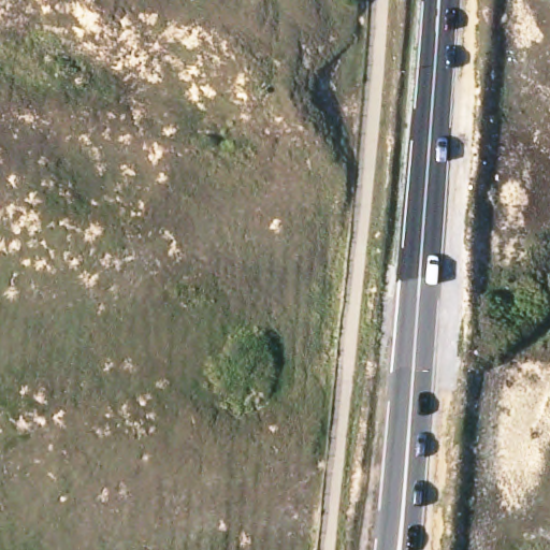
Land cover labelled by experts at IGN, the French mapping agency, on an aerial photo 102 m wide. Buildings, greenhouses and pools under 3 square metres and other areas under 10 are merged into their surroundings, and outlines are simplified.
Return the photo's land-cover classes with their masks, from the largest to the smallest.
<instances>
[{"label":"herbaceous vegetation","instance_id":"1","mask_svg":"<svg viewBox=\"0 0 550 550\"><path fill-rule=\"evenodd\" d=\"M58 2L67 0H28L26 13L32 15L26 24L17 26L15 30L0 26V206L17 204L30 213H37L41 219V228L37 232H13V226L9 221H0V550H312L309 531L314 522L316 494L320 490V483L324 481L318 462L324 460L327 449H331L337 410L344 320L350 299L359 159L350 146V127L344 125L342 105L350 97H354V101H361L367 95L374 0H92V13H97V19L110 26L112 30L122 32L120 19L129 17L138 34V45L146 56V69L153 73L155 60L161 67L159 82L142 79L135 67L116 71L125 82L131 84V95L120 99L122 103H131L129 112H101L99 122L92 125V114L88 110H73L71 105H67L58 110L56 101H45L37 95H30L26 90V84H39L49 90H58L60 77L67 73V69H62V56L82 54L77 52L79 45L75 34V26L79 24V19L71 13L56 11ZM170 24L178 28L198 26V45L187 47L178 41H168L165 28ZM238 73L245 75L249 120H241V107L234 103V82ZM191 86H211L215 90V97H200L204 101V110H198L196 103L189 99ZM254 333L266 337L269 352L273 357V378L269 391L262 397V410L254 408L251 404H245V395L228 391L226 387L219 393H213V385L204 374V363L219 359L226 337H232L236 344H241L247 335ZM415 0H389L376 172L365 249V273L361 288L359 337L346 430L335 550H346L354 518L352 513H348V503L359 417L361 408L376 406L378 387L382 378L380 342L385 322L387 271L395 236ZM524 4L531 9L537 21V28L546 34V39L533 41L529 47H516V43L511 41L507 45L503 84L505 120L501 129V155L498 170L494 174V183L498 187L488 191V202L494 208L496 221L507 215L505 204L501 202L503 185L522 174L526 159L531 161V189L526 191L529 202L524 206V226L503 230L496 223L492 234L505 243H509V238H516V249L526 251L529 256H544L546 251H550V0H524ZM516 361H537L550 367V316L533 324L526 335H520L511 346H507L501 352L503 365H513ZM471 507L475 513L471 529V550H550V468L541 475L539 486L526 492V507L513 511L501 505L498 483L488 479L481 471H477L475 494L471 496Z\"/></svg>","mask_w":550,"mask_h":550},{"label":"impervious surface","instance_id":"2","mask_svg":"<svg viewBox=\"0 0 550 550\"><path fill-rule=\"evenodd\" d=\"M492 0H415L395 236L387 271L385 322L380 342L382 378L378 387L376 406L361 408L359 417L348 503V513H352L354 518L346 550H451L453 505L460 464L458 432L464 415L466 376L462 370V361L458 357L460 320H464L471 314V290L473 204L468 200L479 165L481 79L486 69V52L490 45ZM324 481L320 483V490L316 494L314 522L309 531L312 550H322L331 449H327L324 460L318 462Z\"/></svg>","mask_w":550,"mask_h":550},{"label":"bare soil","instance_id":"3","mask_svg":"<svg viewBox=\"0 0 550 550\"><path fill-rule=\"evenodd\" d=\"M28 0H0V26L15 30L17 26L26 24L32 15L26 13ZM56 11L71 13L79 19V24L75 26V34L79 45L77 52L82 54H88L95 62H103L107 69L116 71L135 67L142 79L159 82L161 67L155 60L153 73L146 69V56L138 45V34L129 17L120 19L122 32L112 30L110 26L97 19V13H92V0H67L58 2ZM511 6L503 13V26L507 28L511 41L516 43V47H529L533 41L546 39V34L537 28V21L531 9L524 4V0H509ZM198 26L178 28L170 24L165 28L168 41H178L187 47L198 45ZM234 103L241 107V120H249L245 75L238 73L234 82ZM215 97V90L211 86H191L189 99L196 103L198 110H204V101L200 97ZM367 95L361 101H354V97H350L342 105L344 125L350 127V146L359 159L365 131ZM531 189V161L526 159L522 174L503 185L501 202L505 204L507 215L496 221V223L503 230L524 226V206L529 202L526 191ZM0 221H9L13 226V232H37L41 228V219L37 213H30L17 204L0 206ZM492 262L494 266H509L511 260H526L529 256L526 251L516 249V238H509V243H505L492 234ZM475 453L479 455L477 471H481L488 479L498 483L501 505L513 511L526 507V492L539 486L541 475L550 468V367L537 361H516L513 365H503L492 367L486 374V385L481 393L479 436L475 447Z\"/></svg>","mask_w":550,"mask_h":550},{"label":"pervious surface","instance_id":"4","mask_svg":"<svg viewBox=\"0 0 550 550\"><path fill-rule=\"evenodd\" d=\"M389 0H374L367 95L365 131L359 159L350 299L344 320L337 410L331 449L322 550H335L346 430L359 337L361 288L365 273V249L376 172ZM511 6L509 0H492L490 45L486 52V69L481 79L479 165L468 200L473 204L471 290L475 294L488 296V301L501 296L503 288H494L488 281L492 262V234L496 223V221L494 208L488 202V191L498 187L494 183V174L498 170L501 155V129L505 120L503 84L507 45L511 41L507 28L503 26V13ZM471 314L464 320H460L458 357L462 361L466 359L468 350ZM492 367L490 363H486L479 372L471 370L466 376L464 415L458 432L460 464L453 505L451 550H471V529L475 513L471 507V496L475 494L477 471L479 455L475 453V447L479 436L481 393L486 385V374Z\"/></svg>","mask_w":550,"mask_h":550},{"label":"brushwood","instance_id":"5","mask_svg":"<svg viewBox=\"0 0 550 550\"><path fill-rule=\"evenodd\" d=\"M62 69H67V73L60 77L58 90H49L39 84H26V90L30 95H37L45 101H56L58 110L67 105H71L73 110H88L92 114V125L99 122L101 112H129L131 103H122L120 99L131 95V84L125 82L116 71L107 69L103 62H95L88 54H82L62 56ZM488 281L494 288H503L501 296L488 301V296L475 294L471 290V314L468 350L466 359L462 361V370L466 376L471 370L479 372L486 363H490L492 367L503 365L501 352L507 346H511L520 335H526L533 324L550 316V251H546L544 256H529L526 260H511L509 266H494L492 262ZM204 374L213 385V393H219L226 387L228 391L245 395V404H251L254 408L262 410V397L269 391L273 378V357L269 352L266 337L254 333L247 335L241 344H236L232 337H226L219 359L204 363Z\"/></svg>","mask_w":550,"mask_h":550}]
</instances>
